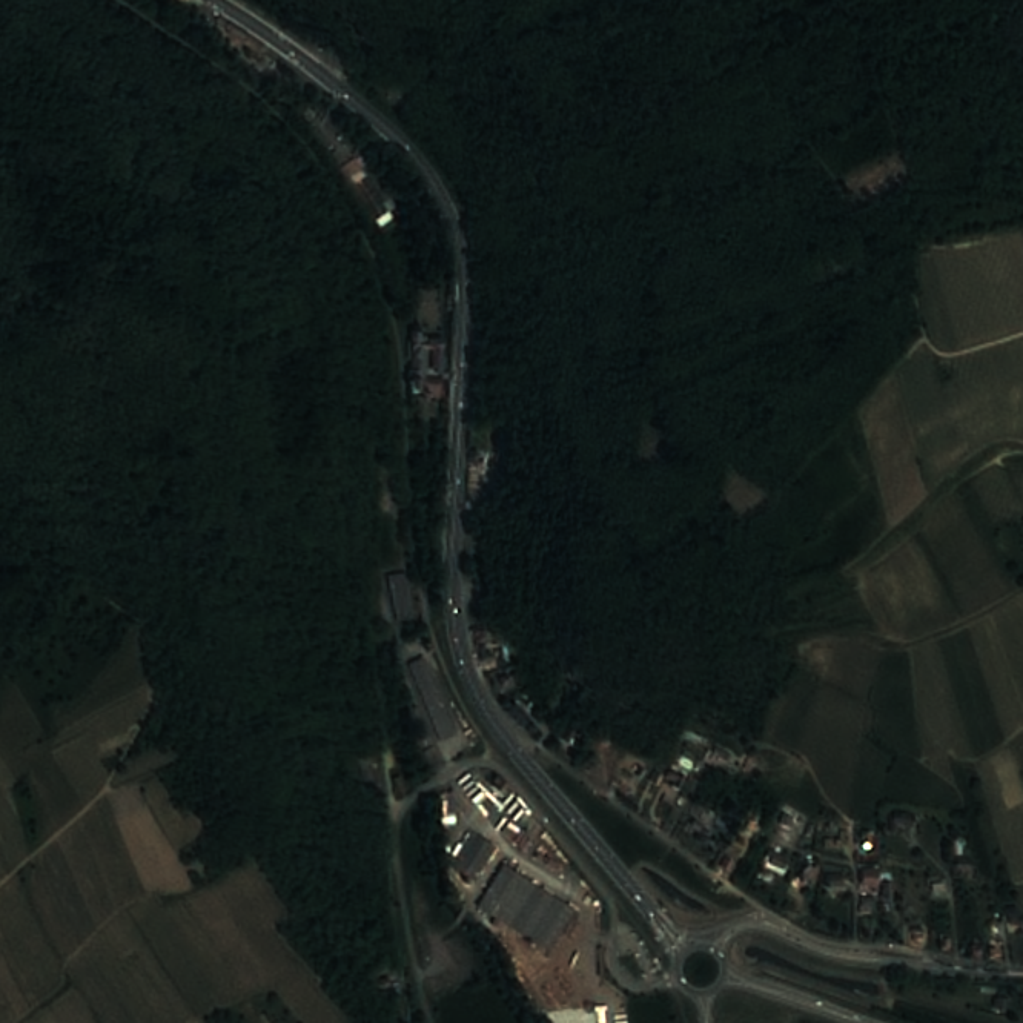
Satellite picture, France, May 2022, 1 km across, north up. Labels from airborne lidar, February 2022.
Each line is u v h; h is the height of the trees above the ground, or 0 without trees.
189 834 0
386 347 19
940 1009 0
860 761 0
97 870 0
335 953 12
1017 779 0
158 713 15
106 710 0
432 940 0
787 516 0
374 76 16
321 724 22
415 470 18
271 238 24
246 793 12
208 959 0
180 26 16
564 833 0
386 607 0
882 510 0
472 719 0
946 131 13
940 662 0
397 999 15
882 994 0
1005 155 17
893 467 0
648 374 22
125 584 25
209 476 19
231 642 18
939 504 0
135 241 23
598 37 19
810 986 0
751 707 8
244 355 20
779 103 20
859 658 0
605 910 0
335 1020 0
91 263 28
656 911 0
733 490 0
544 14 0
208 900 0
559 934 0
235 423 21
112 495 26
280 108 12
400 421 11
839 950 0
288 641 20
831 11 18
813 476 0
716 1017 0
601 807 0
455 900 7
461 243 0
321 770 23
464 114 22
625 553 0
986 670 0
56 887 0
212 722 9
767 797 6
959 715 0
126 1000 0
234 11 0
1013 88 9
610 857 0
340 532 21
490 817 0
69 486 26
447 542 0
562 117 18
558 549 6
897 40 13
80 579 24
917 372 0
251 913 0
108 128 18
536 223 8
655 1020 0
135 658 0
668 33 22
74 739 0
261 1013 0
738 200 20
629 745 6
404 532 17
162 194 22
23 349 23
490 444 0
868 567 0
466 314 0
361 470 18
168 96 25
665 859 0
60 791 0
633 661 15
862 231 18
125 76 23
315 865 22
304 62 0
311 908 10
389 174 25
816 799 0
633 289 16
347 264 20
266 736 23
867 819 0
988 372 0
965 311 0
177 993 0
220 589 20
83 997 0
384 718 15
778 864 0
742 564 18
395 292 18
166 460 22
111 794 0
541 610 7
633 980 0
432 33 24
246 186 25
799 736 0
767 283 17
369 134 25
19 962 0
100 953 0
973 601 0
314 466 24
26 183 23
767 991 0
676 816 0
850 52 14
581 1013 0
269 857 14
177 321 19
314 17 12
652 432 0
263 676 27
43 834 0
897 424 0
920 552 0
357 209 13
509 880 0
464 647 0
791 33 24
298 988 0
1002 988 10
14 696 0
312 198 20
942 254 0
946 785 0
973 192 11
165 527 21
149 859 0
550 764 0
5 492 24
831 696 0
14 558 21
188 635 7
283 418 23
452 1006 0
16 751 0
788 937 0
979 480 0
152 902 0
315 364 18
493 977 12
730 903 0
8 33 20
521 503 25
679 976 0
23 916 0
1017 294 0
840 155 0
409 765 18
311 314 19
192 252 24
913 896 0
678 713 17
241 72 11
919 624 0
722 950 0
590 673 11
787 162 20
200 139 24
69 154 23
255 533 19
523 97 12
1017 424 0
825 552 0
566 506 17
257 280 23
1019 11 15
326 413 27
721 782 16
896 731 0
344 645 21
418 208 36
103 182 16
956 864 9
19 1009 0
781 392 19
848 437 0
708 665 11
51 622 18
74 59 23
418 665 0
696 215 20
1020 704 0
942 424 0
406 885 0
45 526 22
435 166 0
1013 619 0
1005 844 0
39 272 29
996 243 0
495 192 22
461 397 0
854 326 20
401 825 0
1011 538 0
